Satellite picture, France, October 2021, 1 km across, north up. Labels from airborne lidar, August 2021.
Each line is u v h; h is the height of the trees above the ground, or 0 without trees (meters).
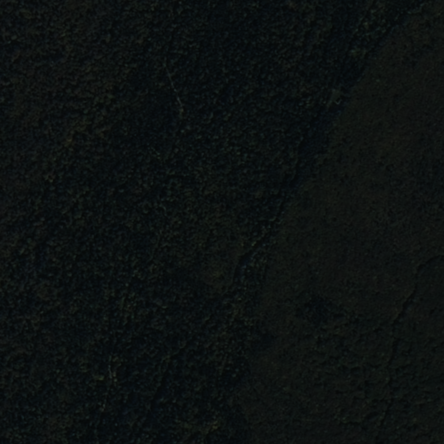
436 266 25
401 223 11
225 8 19
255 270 18
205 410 9
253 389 12
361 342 18
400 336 21
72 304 16
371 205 11
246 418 17
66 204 13
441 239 18
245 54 20
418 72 19
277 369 13
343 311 23
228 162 20
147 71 17
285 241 15
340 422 12
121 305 15
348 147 20
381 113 17
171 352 8
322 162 11
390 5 9
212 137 21
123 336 23
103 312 20
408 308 25
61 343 17
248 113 22
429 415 22
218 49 13
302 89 19
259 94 23
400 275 24
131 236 12
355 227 14
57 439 16
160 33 14
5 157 9
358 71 16
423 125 19
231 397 17
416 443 20
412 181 11
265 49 16
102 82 19
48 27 22
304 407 11
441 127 23
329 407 24
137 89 13
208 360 16
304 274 15
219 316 15
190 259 16
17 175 11
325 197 18
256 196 16
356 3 22
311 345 19
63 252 20
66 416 19
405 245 16
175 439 18
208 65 19
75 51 13
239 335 15
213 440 18
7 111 18
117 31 13
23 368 15
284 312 19
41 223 17
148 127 10
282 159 20
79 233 13
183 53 21
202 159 17
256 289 18
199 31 14
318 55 19
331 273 21
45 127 12
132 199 17
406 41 20
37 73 16
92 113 17
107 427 15
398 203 9
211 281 15
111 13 10
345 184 14
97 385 11
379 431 17
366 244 18
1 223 17
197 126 16
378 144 16
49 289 19
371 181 9
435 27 20
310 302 18
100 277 16
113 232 20
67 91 21
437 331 20
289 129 25
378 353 22
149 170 14
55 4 13
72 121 20
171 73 12
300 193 17
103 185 14
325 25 18
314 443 19
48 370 22
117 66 15
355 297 22
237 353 12
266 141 23
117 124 15
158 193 17
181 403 20
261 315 14
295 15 21
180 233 12
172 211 17
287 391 20
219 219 17
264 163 20
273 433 10
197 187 16
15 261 13
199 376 12
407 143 15
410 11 17
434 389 21
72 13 12
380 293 22
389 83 18
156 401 15
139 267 14
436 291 24
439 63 16
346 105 18
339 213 14
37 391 18
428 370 27
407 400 19
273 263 15
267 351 14
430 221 16
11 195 15
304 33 17
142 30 19
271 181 27
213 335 16
